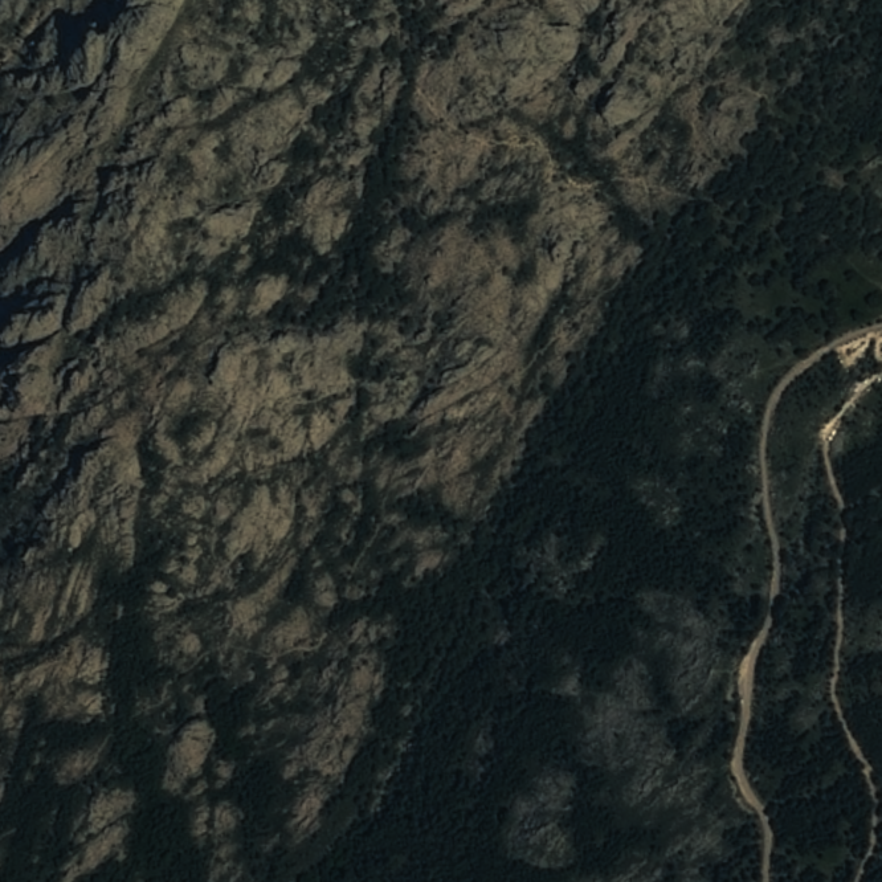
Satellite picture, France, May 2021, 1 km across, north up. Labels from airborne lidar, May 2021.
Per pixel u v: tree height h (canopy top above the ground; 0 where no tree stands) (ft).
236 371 0
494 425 0
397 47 58
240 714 33
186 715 59
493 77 0
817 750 40
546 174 0
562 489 50
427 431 0
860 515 53
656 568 45
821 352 0
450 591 38
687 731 41
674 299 62
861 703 27
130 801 29
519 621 52
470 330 0
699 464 33
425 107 0
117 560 0
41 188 23
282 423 0
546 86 28
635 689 0
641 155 0
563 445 46
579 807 25
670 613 0
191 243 0
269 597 0
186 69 35
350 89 24
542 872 48
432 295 0
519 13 0
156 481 22
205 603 33
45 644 28
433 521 53
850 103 39
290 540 0
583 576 41
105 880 52
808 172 55
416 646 69
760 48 60
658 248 64
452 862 70
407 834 65
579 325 31
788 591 22
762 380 0
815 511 23
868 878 35
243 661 0
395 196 53
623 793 0
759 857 26
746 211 41
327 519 28
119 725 51
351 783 54
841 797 51
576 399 73
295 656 0
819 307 0
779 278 56
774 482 0
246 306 0
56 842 35
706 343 27
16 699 0
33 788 43
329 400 0
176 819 60
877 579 41
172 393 0
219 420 0
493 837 51
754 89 22
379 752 65
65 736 43
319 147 30
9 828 28
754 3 23
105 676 20
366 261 72
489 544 48
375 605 55
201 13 0
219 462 0
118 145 0
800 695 28
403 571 29
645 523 39
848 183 30
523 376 0
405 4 42
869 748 27
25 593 0
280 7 0
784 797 40
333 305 55
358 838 59
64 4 0
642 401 34
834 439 0
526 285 0
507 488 67
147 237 0
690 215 61
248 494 0
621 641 43
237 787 53
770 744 41
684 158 0
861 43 57
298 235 23
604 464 39
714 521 31
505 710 66
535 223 0
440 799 58
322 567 0
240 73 0
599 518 28
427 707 68
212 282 28
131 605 31
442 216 42
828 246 39
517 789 36
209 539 0
